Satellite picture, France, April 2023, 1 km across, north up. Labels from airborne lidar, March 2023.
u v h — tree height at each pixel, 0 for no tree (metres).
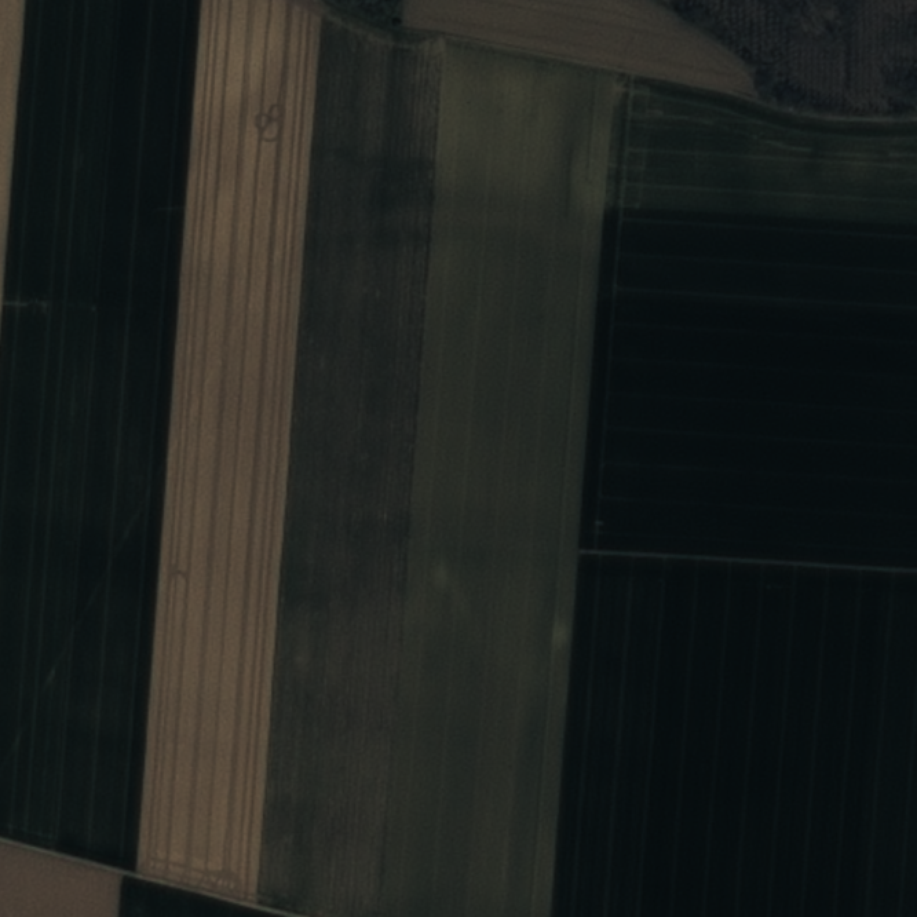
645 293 0
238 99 0
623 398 0
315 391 0
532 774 0
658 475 0
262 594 0
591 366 0
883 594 0
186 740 0
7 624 0
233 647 0
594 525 0
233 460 0
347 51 0
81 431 0
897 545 0
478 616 0
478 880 0
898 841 0
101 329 0
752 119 0
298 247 0
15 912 0
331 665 0
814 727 0
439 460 0
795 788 0
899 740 0
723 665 0
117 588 0
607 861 0
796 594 0
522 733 0
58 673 0
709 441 0
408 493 0
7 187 0
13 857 0
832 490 0
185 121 0
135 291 0
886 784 0
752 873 0
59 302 0
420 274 0
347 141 0
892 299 0
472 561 0
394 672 0
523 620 0
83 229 0
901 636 0
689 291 0
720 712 0
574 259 0
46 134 0
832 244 0
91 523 0
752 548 0
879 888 0
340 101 0
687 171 0
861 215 0
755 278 0
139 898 0
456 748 0
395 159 0
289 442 0
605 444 0
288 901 0
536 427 0
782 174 0
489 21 0
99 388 0
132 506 0
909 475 0
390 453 0
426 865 0
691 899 0
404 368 0
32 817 0
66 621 0
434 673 0
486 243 0
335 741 0
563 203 0
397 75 0
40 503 0
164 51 0
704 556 0
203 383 0
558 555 0
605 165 0
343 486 0
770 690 0
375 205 0
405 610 0
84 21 0
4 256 0
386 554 0
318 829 0
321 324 0
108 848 0
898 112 18
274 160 0
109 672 0
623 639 0
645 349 0
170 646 0
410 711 0
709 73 0
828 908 0
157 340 0
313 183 0
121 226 0
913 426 0
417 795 0
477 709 0
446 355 0
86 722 0
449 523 0
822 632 0
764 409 0
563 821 0
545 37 0
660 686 0
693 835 0
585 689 0
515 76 0
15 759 0
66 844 0
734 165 0
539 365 0
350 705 0
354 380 0
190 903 0
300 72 0
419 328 0
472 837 0
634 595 0
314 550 0
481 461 0
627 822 0
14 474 0
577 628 0
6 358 0
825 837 0
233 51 0
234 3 0
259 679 0
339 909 0
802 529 0
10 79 0
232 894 0
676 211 0
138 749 0
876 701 0
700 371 0
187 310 0
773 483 0
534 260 0
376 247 0
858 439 0
